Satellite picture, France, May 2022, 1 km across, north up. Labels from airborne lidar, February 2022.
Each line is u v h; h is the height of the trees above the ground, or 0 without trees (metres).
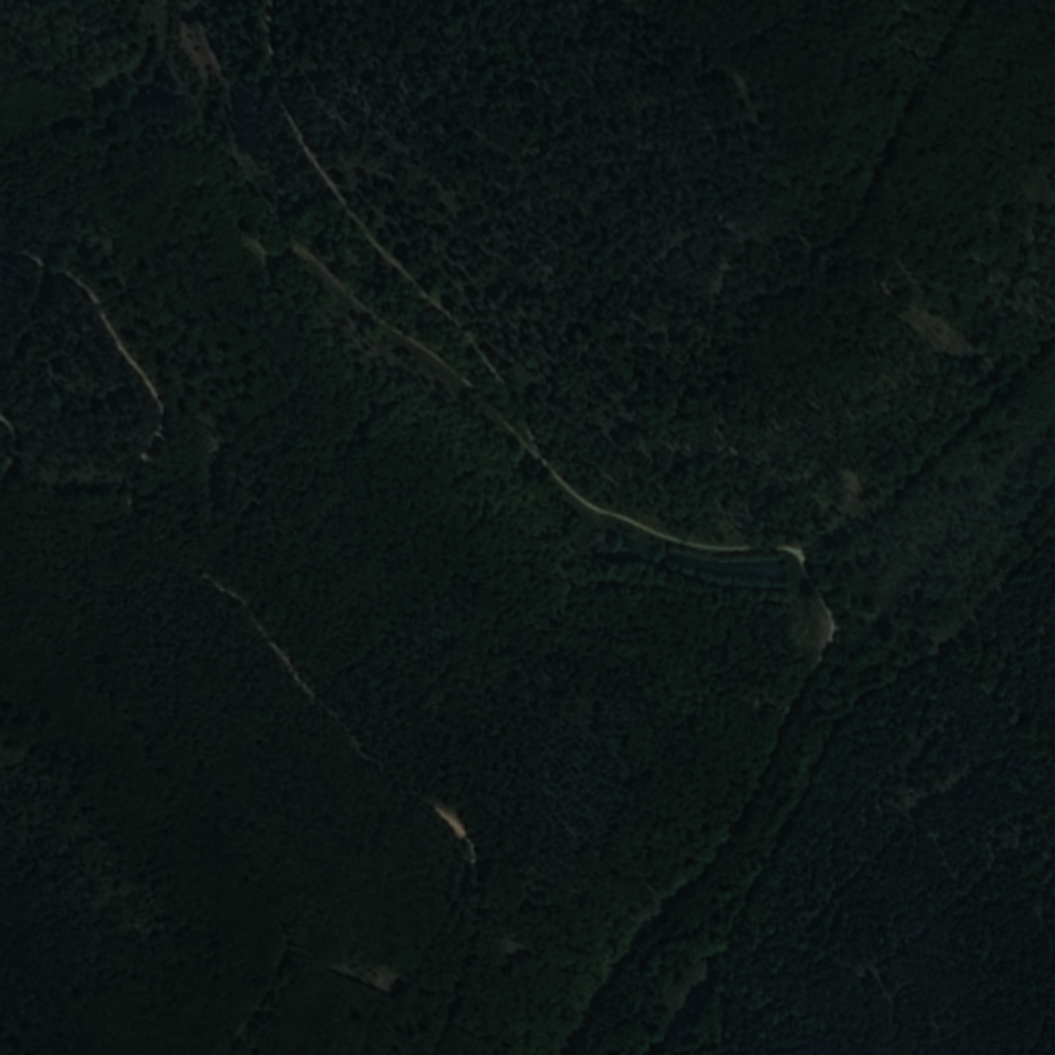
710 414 23
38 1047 15
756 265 20
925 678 15
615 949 23
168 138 20
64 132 20
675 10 22
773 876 12
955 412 12
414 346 0
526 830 21
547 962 19
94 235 7
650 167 10
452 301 29
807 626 0
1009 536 17
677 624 20
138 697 15
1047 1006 14
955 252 25
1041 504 17
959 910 14
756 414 19
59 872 9
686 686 19
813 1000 13
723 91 24
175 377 0
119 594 24
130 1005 10
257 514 25
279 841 18
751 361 20
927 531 31
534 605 27
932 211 25
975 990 10
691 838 25
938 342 0
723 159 23
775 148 17
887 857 14
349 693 18
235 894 14
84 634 20
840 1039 14
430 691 27
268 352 17
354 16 9
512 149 10
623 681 20
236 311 17
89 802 12
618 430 36
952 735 15
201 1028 13
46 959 12
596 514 0
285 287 24
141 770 16
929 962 15
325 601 22
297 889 16
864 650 29
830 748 10
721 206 11
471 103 9
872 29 26
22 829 7
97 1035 13
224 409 10
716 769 18
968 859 9
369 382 25
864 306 27
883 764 12
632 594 22
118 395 15
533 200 28
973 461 25
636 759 16
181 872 10
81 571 26
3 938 15
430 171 10
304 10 12
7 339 17
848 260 30
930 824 17
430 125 8
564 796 15
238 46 32
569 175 10
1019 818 11
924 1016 14
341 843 22
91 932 8
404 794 22
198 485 29
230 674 22
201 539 23
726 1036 8
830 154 25
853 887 12
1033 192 0
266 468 26
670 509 23
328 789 20
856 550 28
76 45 33
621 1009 15
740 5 21
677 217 8
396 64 6
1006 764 12
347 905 19
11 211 21
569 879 20
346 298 0
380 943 22
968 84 24
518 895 14
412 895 20
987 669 13
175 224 12
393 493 22
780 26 16
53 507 22
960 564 30
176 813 13
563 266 9
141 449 16
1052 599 16
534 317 32
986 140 22
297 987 21
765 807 18
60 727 13
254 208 22
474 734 24
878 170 22
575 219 27
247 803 18
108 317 6
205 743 21
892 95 22
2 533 21
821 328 21
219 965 11
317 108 23
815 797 8
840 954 15
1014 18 23
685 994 0
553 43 28
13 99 19
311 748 18
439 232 26
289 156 27
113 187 11
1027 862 15
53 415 21
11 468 18
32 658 20
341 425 23
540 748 23
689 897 17
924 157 24
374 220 21
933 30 22
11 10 29
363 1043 14
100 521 24
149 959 9
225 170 25
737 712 19
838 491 22
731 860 17
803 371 22
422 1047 14
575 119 9
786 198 24
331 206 26
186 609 25
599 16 28
